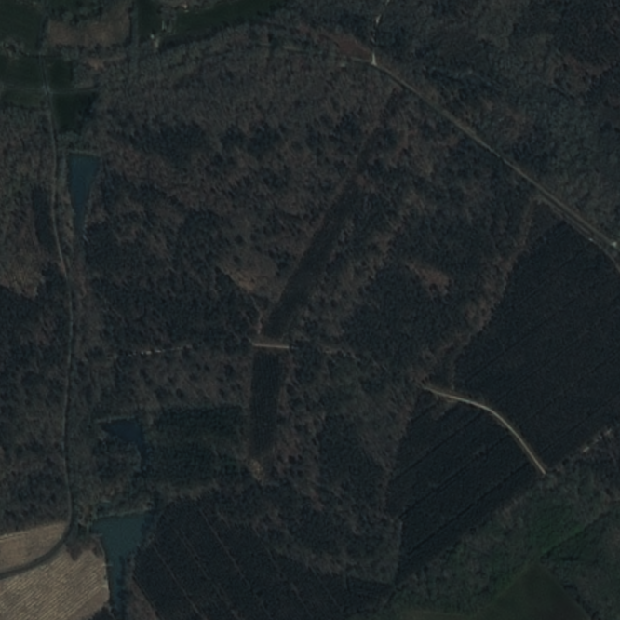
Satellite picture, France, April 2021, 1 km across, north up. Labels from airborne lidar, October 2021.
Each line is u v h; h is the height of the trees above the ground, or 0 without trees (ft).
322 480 49
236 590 52
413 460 51
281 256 22
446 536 49
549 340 43
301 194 49
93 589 0
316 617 39
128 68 63
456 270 69
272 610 51
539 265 47
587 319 42
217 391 34
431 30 27
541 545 72
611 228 69
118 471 79
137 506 51
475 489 50
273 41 60
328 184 35
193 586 44
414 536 45
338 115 61
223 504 70
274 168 33
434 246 68
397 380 80
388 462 42
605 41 60
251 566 41
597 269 30
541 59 44
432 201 73
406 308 77
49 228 59
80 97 0
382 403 40
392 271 81
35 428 51
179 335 51
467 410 34
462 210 79
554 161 58
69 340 67
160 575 46
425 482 49
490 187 49
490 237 56
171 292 28
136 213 37
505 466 50
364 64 0
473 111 73
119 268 77
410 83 67
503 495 45
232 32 69
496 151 26
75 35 0
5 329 60
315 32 55
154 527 68
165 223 63
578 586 41
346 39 61
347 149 74
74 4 0
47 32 43
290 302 21
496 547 63
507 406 41
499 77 45
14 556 0
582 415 44
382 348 80
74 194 0
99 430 59
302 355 73
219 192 35
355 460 75
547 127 37
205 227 77
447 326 67
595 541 39
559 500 69
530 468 46
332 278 67
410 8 39
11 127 50
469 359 43
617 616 46
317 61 54
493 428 34
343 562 48
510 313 47
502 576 52
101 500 40
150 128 46
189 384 44
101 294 67
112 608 44
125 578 59
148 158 83
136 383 39
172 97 57
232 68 48
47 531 0
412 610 45
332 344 69
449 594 60
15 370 49
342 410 49
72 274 49
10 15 0
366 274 65
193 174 40
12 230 26
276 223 42
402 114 50
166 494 50
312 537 83
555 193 66
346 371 66
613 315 35
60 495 35
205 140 86
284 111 38
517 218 75
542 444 44
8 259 56
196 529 45
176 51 71
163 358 27
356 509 23
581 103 45
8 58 0
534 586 0
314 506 66
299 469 79
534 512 65
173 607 47
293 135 42
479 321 44
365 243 76
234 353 75
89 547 25
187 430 80
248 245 36
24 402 43
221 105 48
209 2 67
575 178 44
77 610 0
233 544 50
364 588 56
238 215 42
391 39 50
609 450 0
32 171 42
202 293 78
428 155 47
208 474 69
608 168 22
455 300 76
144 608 31
